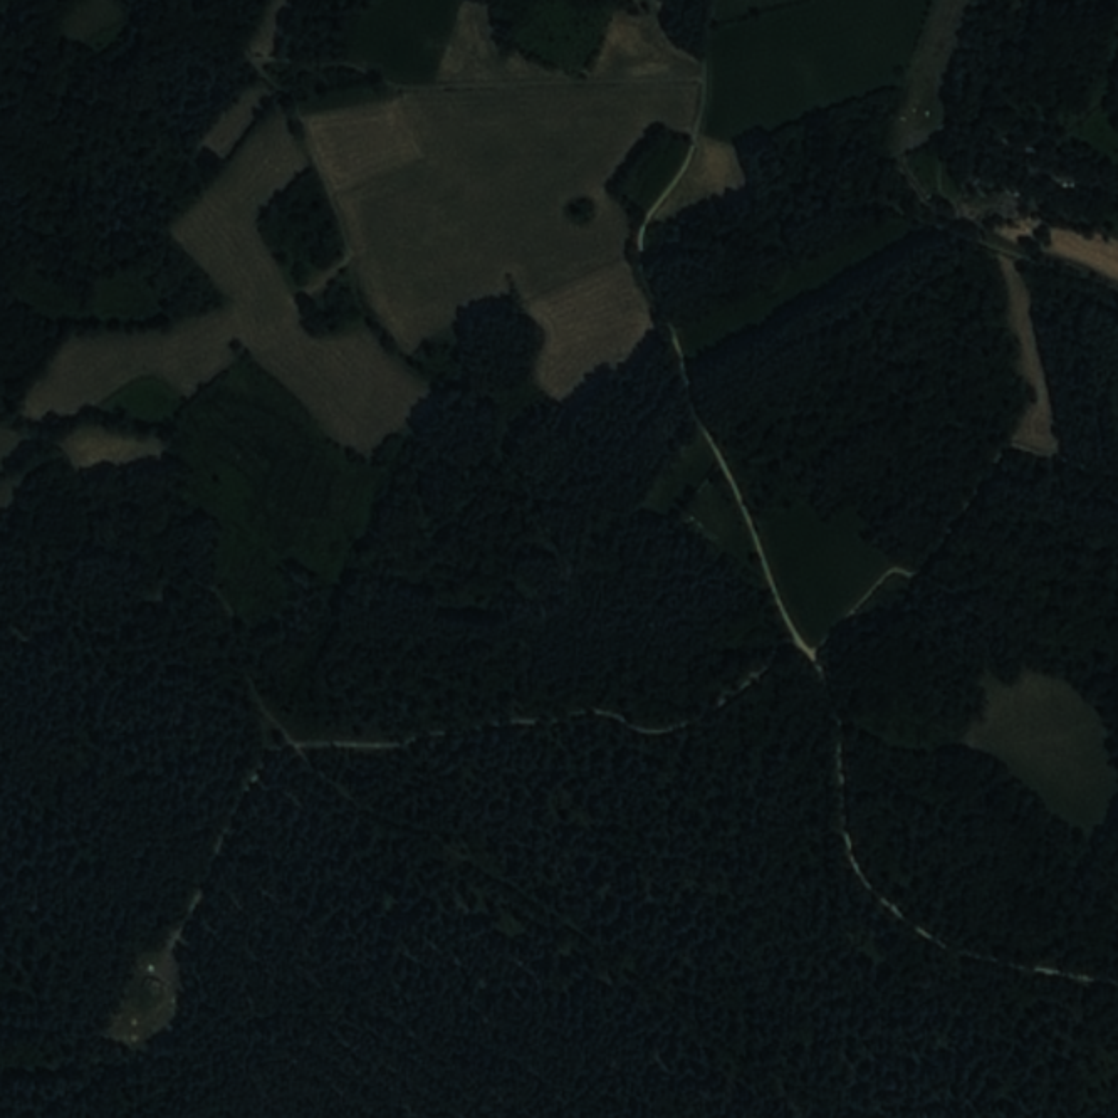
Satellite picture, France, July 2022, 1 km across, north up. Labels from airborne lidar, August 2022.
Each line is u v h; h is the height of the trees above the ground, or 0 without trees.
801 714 18
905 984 6
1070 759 0
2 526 12
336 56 14
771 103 0
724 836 14
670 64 0
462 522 12
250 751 15
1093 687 21
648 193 0
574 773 7
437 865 14
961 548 14
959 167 16
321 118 0
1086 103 8
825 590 0
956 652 20
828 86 0
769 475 9
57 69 23
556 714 14
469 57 0
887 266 22
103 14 0
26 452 19
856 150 23
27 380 17
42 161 22
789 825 15
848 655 21
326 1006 20
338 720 14
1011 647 19
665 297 23
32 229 22
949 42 0
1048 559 22
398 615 27
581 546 28
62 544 16
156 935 19
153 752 24
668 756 6
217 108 25
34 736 24
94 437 0
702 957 19
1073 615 13
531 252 0
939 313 13
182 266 17
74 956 18
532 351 16
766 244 8
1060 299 13
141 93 25
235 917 23
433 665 12
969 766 20
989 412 7
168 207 13
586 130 0
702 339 0
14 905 30
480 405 25
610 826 12
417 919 23
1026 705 0
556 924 15
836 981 15
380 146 0
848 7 0
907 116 0
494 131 0
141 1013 0
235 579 0
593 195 0
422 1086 24
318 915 29
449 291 0
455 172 0
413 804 9
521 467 21
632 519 27
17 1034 24
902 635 25
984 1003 16
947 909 16
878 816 15
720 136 0
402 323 0
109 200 18
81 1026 28
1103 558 18
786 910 17
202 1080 21
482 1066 25
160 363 0
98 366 0
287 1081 25
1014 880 18
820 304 23
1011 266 0
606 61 0
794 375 23
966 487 12
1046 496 23
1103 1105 16
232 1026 25
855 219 21
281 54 7
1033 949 7
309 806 24
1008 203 0
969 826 19
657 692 18
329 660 16
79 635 20
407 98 0
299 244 8
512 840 11
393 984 24
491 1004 27
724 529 0
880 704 18
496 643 23
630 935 15
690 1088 25
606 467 23
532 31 0
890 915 13
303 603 22
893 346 21
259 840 18
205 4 27
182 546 13
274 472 0
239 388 0
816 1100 15
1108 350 30
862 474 21
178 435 22
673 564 21
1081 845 20
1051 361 24
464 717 7
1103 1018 12
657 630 23
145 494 23
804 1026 17
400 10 0
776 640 7
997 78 22
